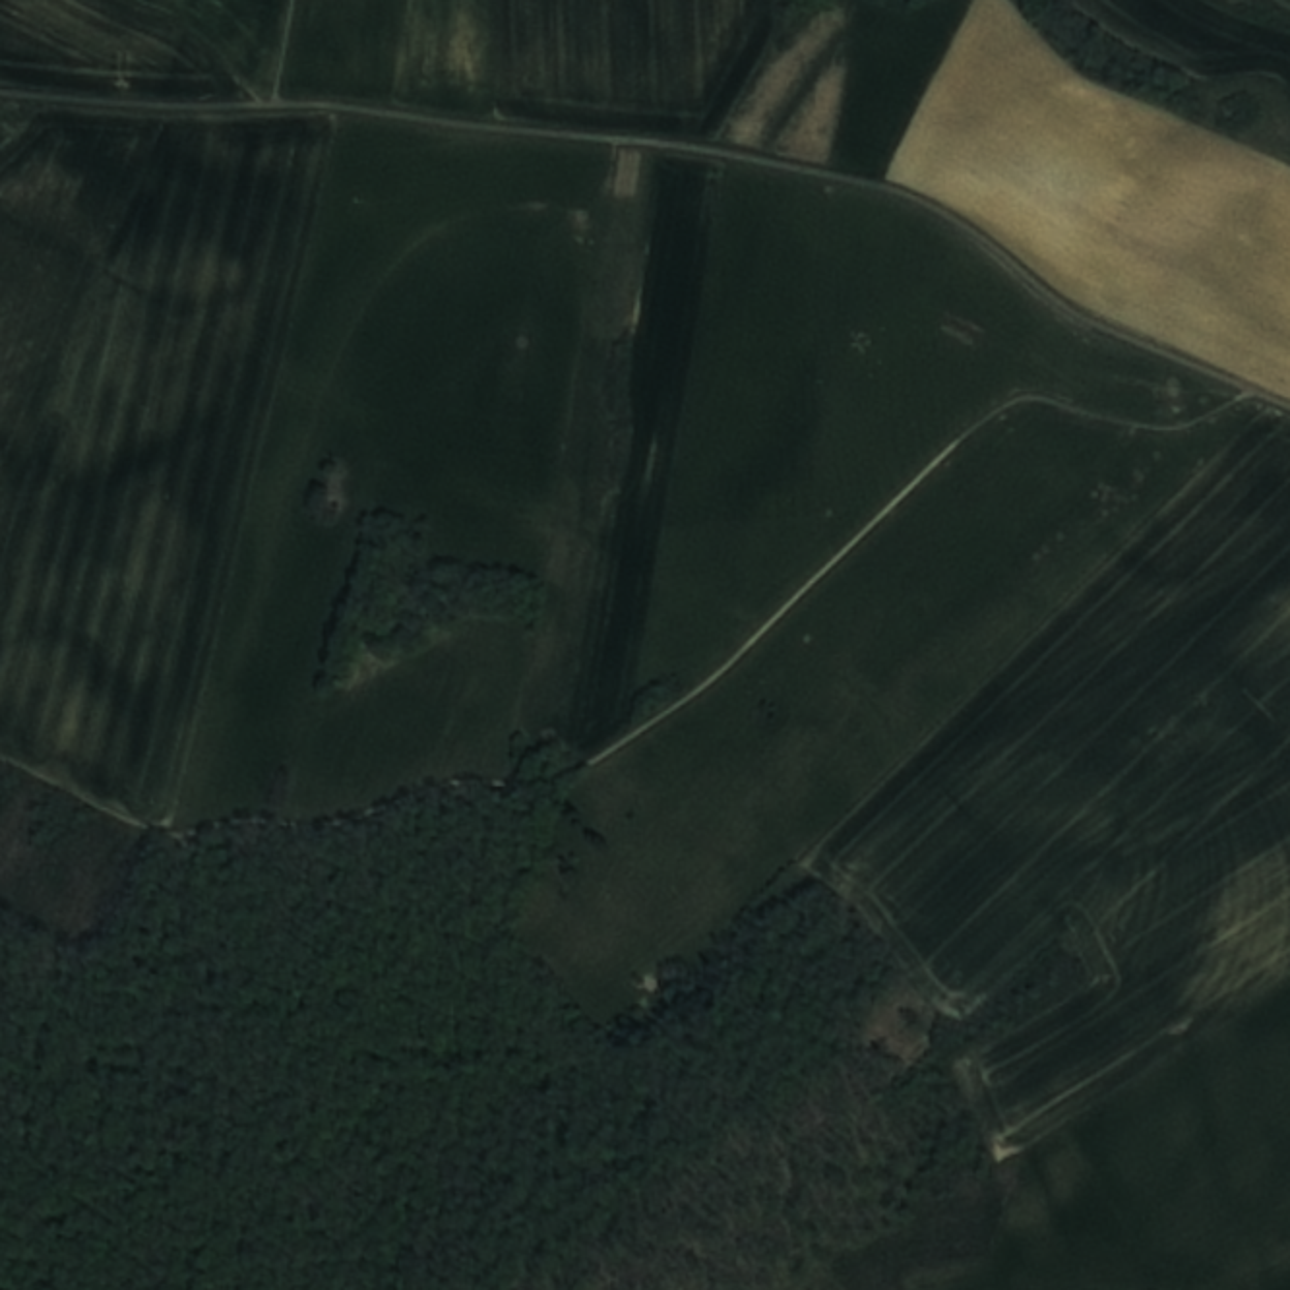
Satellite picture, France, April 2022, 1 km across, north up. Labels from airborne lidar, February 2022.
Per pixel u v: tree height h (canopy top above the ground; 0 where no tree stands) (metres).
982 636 0
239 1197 23
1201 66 0
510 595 19
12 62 0
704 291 0
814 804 0
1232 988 0
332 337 0
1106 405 0
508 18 0
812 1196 28
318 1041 22
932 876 0
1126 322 0
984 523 0
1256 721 0
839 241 0
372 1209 25
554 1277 26
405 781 0
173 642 0
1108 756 0
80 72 0
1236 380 0
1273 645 0
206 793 0
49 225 0
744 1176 24
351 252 0
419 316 0
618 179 0
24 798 0
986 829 0
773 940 22
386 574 21
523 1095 27
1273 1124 0
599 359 0
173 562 0
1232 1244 0
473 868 24
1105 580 0
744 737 0
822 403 0
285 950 22
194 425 0
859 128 0
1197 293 0
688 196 0
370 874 24
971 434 0
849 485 0
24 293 0
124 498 0
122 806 0
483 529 0
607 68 0
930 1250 0
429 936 24
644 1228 27
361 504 0
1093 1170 0
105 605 0
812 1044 21
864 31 0
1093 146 0
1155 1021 0
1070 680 0
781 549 0
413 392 0
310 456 0
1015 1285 0
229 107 0
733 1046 23
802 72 0
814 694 0
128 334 0
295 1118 24
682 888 0
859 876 0
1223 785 0
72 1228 23
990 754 0
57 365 0
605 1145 26
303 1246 26
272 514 0
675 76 0
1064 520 0
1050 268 0
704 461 0
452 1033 27
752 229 0
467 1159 24
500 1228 27
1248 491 0
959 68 0
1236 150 0
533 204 0
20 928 25
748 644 0
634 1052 22
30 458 0
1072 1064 0
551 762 13
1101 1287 0
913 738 0
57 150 0
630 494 0
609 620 0
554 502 0
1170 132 0
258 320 0
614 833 0
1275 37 0
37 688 0
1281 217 0
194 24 0
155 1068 28
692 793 0
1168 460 0
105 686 0
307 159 0
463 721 0
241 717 0
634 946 0
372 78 0
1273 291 0
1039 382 0
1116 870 0
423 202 0
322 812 0
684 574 0
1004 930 0
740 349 0
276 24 0
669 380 0
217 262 0
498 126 0
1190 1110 0
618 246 0
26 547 0
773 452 0
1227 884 0
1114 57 11
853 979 23
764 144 0
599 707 0
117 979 24
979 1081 0
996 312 0
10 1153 25
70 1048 27
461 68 0
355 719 0
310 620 0
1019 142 0
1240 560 0
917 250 0
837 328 0
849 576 0
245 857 20
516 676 0
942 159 0
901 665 0
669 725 0
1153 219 0
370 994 25
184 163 0
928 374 0
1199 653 0
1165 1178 0
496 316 0
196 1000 22
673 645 0
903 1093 15
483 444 0
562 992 19
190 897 23
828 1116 26
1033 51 0
